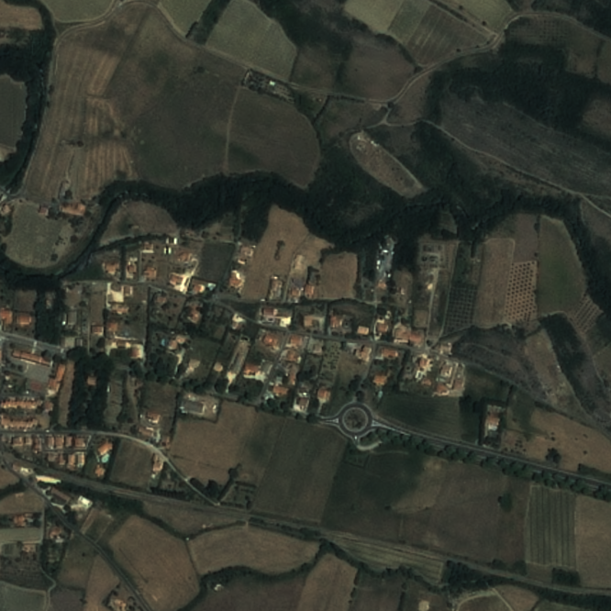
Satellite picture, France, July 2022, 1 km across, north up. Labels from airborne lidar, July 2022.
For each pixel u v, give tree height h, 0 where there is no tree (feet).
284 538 0
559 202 22
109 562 0
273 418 0
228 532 0
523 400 0
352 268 0
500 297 0
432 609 0
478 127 0
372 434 42
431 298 0
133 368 53
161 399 0
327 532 0
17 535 0
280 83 34
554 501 0
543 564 0
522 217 0
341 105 0
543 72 24
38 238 0
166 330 49
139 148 0
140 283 0
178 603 0
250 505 27
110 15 0
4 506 0
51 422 24
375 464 0
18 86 0
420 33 0
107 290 0
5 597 0
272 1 19
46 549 24
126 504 28
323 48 0
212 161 0
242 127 0
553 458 19
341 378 0
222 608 0
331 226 45
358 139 0
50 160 0
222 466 0
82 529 0
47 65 35
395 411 0
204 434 0
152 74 0
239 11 0
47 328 40
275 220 0
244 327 23
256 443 0
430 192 37
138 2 0
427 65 0
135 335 0
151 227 0
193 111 0
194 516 0
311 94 0
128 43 0
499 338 0
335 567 0
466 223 66
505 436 0
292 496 0
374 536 0
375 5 0
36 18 0
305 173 0
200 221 38
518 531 0
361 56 0
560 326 19
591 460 0
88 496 43
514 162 0
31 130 49
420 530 0
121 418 28
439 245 0
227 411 0
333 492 0
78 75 0
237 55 0
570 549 0
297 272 0
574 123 31
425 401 0
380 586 0
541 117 20
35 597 0
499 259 0
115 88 0
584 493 47
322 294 0
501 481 0
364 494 0
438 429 0
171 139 0
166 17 0
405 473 0
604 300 53
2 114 0
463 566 42
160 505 0
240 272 0
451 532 0
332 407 0
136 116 0
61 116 0
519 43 19
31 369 0
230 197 48
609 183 0
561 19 0
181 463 0
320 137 23
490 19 0
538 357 0
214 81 0
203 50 0
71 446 20
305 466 0
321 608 0
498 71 31
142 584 0
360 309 0
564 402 0
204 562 0
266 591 0
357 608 0
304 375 46
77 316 0
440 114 20
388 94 0
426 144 20
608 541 0
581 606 31
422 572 0
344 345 39
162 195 54
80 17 0
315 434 0
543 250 0
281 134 0
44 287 60
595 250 29
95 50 0
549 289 0
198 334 18
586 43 0
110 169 0
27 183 0
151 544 0
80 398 49
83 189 0
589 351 0
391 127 0
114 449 27
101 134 0
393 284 32
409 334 0
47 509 26
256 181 39
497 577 20
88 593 0
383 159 0
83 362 77
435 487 0
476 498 0
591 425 0
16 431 0
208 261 0
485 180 24
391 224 41
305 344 0
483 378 0
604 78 0
